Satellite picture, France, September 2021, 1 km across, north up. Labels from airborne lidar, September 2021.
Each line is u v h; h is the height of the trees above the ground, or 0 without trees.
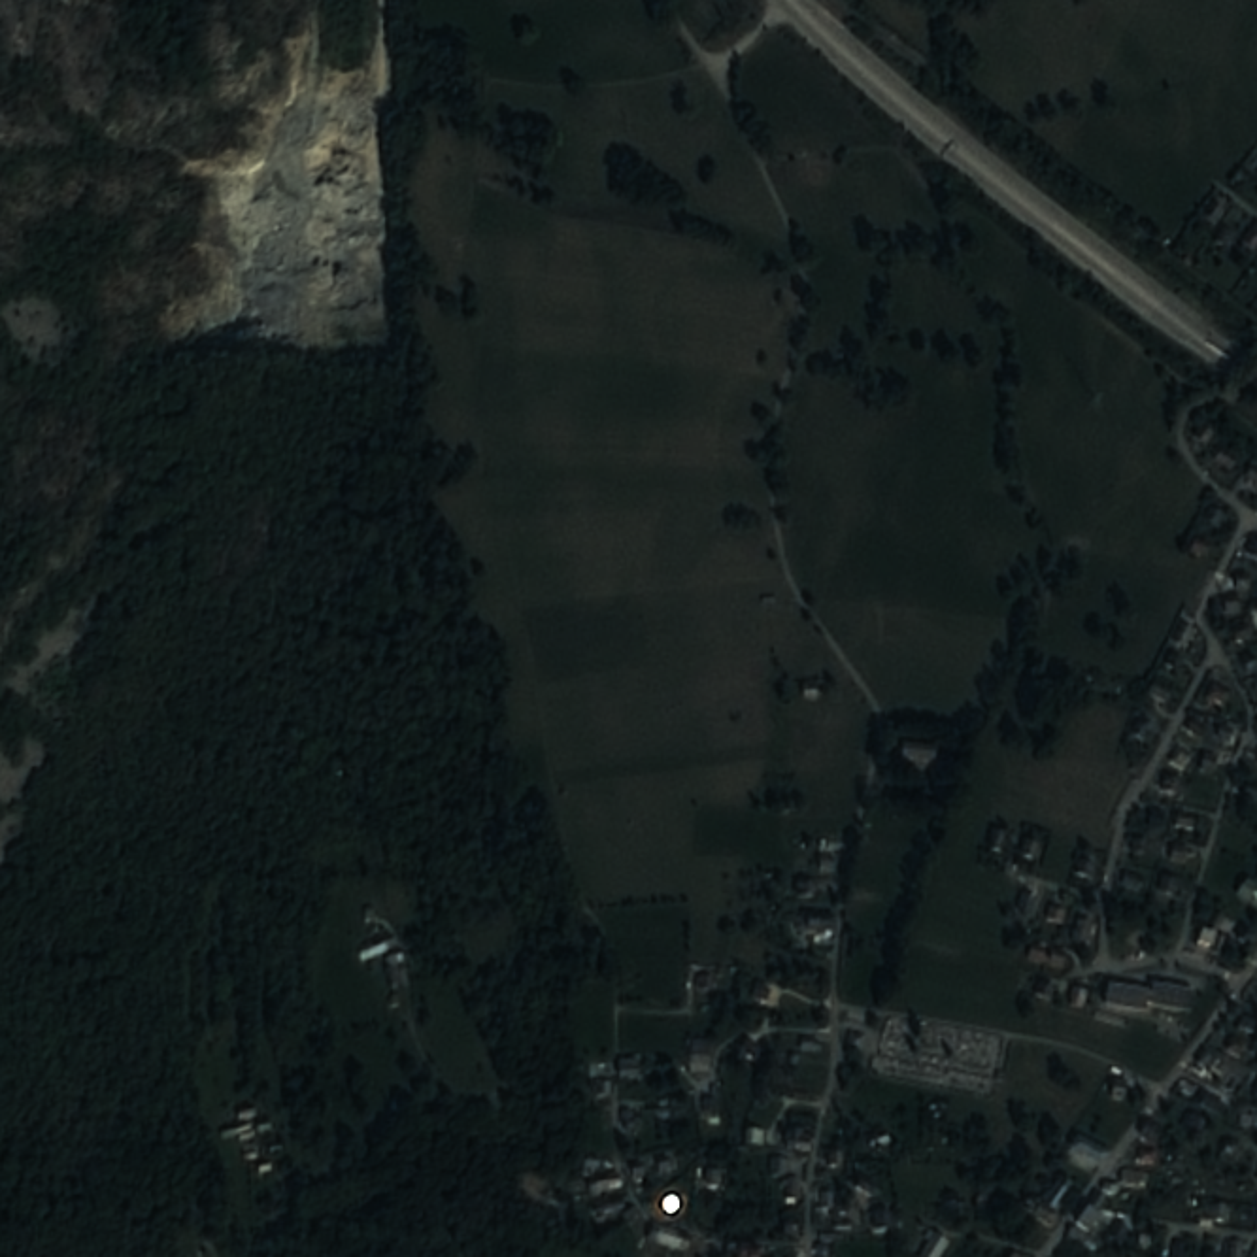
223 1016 21
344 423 26
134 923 30
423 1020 10
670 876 0
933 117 0
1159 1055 0
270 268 0
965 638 0
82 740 13
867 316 0
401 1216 30
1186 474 0
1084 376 0
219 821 22
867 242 21
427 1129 19
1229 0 0
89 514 7
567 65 0
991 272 0
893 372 0
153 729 15
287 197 0
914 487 0
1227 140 0
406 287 17
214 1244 17
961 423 0
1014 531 0
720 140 0
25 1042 29
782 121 0
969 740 19
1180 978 0
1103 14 0
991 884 0
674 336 0
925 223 0
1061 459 0
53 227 13
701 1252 0
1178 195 0
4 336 10
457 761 28
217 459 13
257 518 9
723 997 8
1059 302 0
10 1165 26
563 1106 24
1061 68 0
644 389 0
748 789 0
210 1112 0
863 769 0
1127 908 7
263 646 19
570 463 0
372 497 27
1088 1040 0
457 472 14
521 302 0
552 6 0
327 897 25
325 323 0
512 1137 10
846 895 11
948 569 0
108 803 22
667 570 0
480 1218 34
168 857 30
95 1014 27
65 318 9
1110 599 0
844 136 0
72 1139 25
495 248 0
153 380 23
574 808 0
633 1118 0
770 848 0
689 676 0
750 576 0
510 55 0
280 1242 20
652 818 0
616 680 0
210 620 17
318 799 23
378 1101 0
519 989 14
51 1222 21
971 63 21
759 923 7
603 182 0
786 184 0
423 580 19
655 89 0
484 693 21
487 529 0
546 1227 26
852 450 0
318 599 21
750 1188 5
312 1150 9
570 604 0
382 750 18
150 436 22
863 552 0
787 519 14
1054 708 20
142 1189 22
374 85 0
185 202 7
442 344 0
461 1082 0
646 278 0
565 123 0
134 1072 22
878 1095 0
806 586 0
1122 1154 0
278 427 20
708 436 0
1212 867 0
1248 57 0
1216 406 7
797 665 0
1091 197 10
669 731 0
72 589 17
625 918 0
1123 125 0
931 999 0
